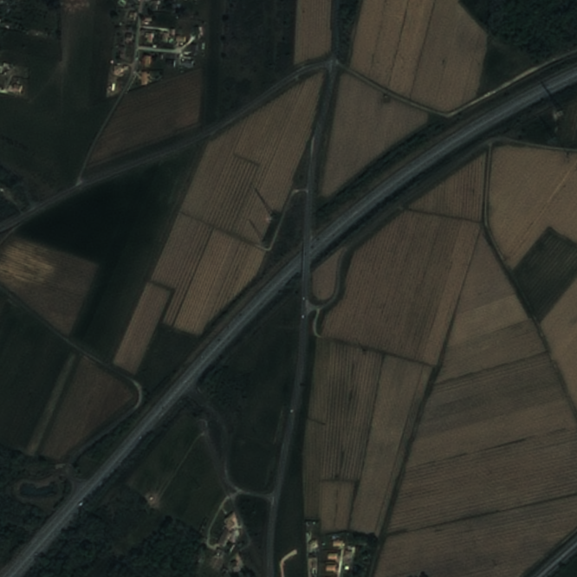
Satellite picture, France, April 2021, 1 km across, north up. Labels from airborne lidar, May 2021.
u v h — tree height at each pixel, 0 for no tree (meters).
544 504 0
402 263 0
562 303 0
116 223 0
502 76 0
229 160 0
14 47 0
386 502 0
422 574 0
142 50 0
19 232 0
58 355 0
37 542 0
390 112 0
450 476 0
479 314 0
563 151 0
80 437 0
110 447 11
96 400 0
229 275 0
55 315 0
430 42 0
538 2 15
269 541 0
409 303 0
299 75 0
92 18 0
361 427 0
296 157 0
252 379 0
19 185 17
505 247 0
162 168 0
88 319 0
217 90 0
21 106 0
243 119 0
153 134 0
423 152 0
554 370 0
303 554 0
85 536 18
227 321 0
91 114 0
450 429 0
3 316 0
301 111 0
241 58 0
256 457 0
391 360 0
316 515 0
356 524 0
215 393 5
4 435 0
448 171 0
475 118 0
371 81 0
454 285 0
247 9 0
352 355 0
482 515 0
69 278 0
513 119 0
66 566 16
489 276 0
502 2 26
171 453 0
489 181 0
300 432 0
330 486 0
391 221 0
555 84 0
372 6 0
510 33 16
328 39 0
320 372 0
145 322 0
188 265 0
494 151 0
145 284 0
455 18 0
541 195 0
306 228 0
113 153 0
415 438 0
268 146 0
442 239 0
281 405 0
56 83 0
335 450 0
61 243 0
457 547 0
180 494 0
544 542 0
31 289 0
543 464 0
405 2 0
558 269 0
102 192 0
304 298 0
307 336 0
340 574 0
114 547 16
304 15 0
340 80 0
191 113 0
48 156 0
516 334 0
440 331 0
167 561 23
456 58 0
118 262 0
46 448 0
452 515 0
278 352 0
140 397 0
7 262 0
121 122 0
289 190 0
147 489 0
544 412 0
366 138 0
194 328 0
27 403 0
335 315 0
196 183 0
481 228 0
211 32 0
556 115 0
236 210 0
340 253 0
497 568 0
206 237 0
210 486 0
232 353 0
